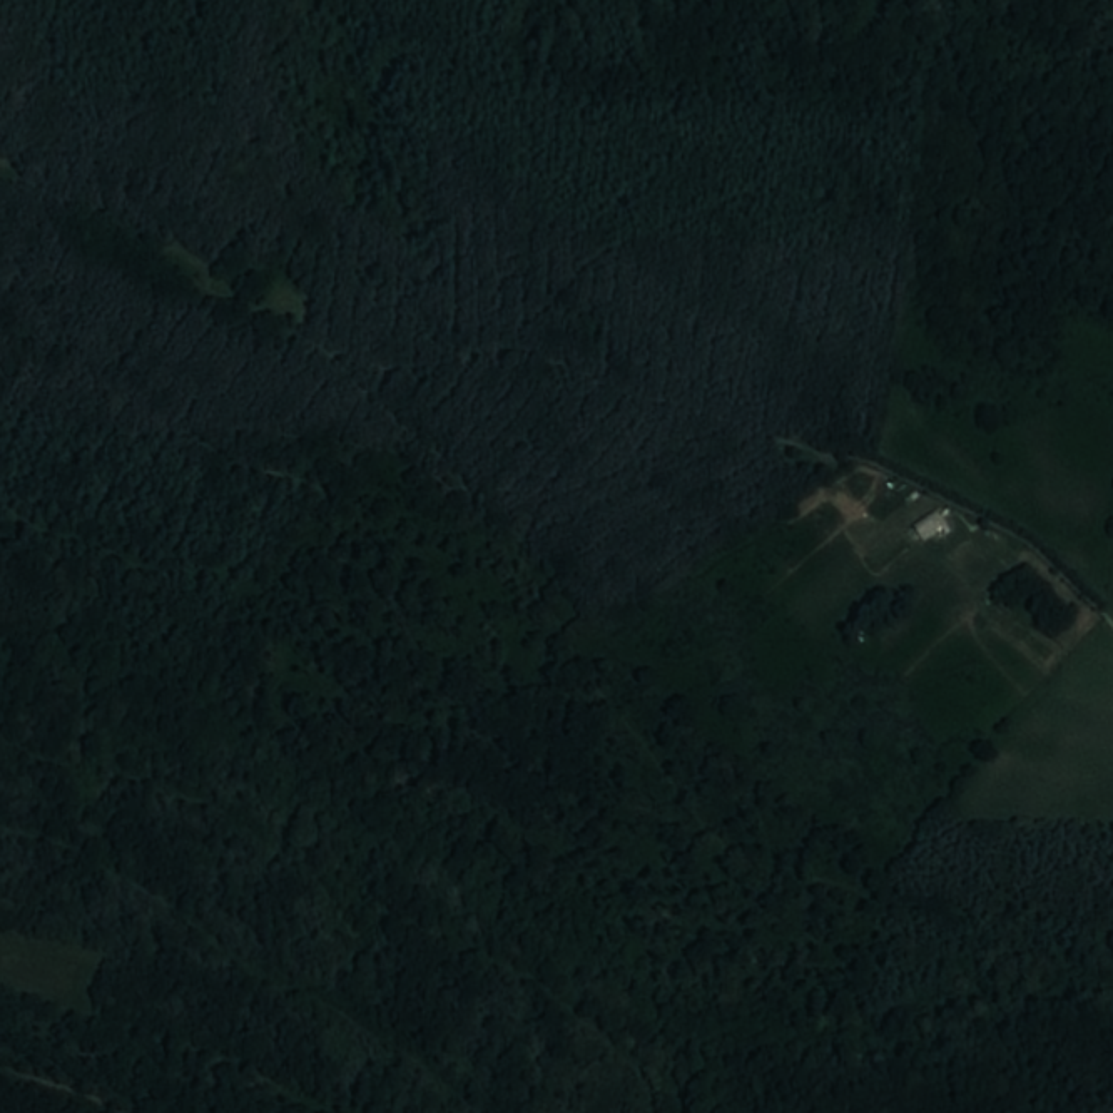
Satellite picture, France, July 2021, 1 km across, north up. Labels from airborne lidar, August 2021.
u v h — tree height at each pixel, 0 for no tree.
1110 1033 19
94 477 28
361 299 22
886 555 0
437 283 22
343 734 24
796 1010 23
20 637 20
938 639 0
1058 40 25
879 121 27
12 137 21
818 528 0
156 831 17
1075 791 0
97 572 17
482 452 21
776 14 11
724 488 21
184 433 21
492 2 26
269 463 19
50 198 20
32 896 16
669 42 20
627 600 17
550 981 20
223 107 23
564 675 24
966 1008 22
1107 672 0
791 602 0
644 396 19
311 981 9
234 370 21
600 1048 21
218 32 19
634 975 12
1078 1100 25
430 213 19
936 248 23
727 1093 13
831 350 22
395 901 20
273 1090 15
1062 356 7
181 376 23
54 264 19
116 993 19
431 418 20
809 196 19
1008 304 23
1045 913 23
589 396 19
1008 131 24
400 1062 10
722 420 15
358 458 16
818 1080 17
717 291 20
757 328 18
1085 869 21
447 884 9
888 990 21
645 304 20
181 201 20
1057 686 0
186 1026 15
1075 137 16
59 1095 15
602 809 8
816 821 15
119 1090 28
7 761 14
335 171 11
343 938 24
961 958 11
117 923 9
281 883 19
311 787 25
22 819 19
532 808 21
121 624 13
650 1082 18
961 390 19
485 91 22
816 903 16
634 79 21
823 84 15
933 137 16
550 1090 18
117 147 23
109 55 18
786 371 19
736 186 24
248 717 22
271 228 22
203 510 24
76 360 20
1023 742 0
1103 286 14
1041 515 0
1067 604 13
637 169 24
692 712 22
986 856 21
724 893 17
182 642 18
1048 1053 17
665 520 20
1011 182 25
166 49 25
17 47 23
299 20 22
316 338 23
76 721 23
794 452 18
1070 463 0
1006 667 0
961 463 0
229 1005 21
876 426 19
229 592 25
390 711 22
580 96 22
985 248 19
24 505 24
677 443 19
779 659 0
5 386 19
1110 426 0
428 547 24
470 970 19
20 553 21
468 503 15
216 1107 22
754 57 26
